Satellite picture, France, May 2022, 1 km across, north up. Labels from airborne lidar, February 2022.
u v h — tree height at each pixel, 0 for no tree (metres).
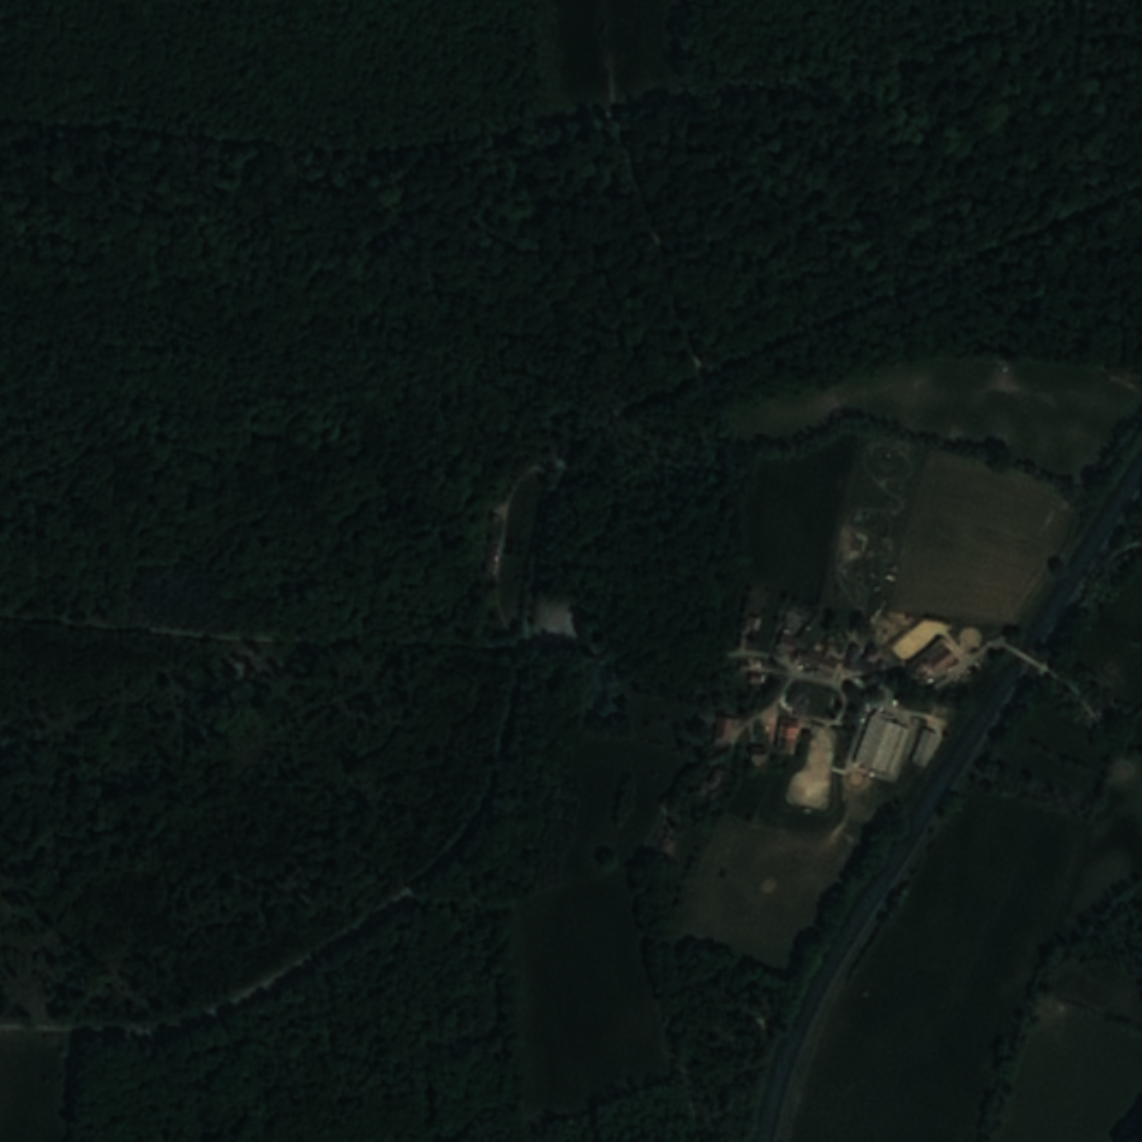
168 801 28
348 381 26
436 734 10
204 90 22
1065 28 26
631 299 25
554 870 19
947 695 7
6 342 24
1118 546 16
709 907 0
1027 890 0
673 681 20
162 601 19
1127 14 27
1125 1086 0
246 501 28
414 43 22
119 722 9
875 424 17
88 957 26
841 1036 0
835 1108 0
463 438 27
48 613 9
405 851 7
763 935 0
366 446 28
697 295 25
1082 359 22
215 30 23
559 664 27
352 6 24
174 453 32
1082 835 0
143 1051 25
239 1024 19
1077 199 23
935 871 0
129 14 24
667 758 0
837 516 0
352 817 24
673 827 14
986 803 0
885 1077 0
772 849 0
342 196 29
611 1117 18
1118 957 23
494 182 31
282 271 25
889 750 0
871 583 0
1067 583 0
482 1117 27
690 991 24
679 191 26
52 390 27
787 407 0
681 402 25
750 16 26
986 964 0
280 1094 20
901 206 25
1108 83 26
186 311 23
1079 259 24
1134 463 0
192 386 23
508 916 20
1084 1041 0
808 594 0
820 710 0
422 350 23
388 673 11
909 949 0
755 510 0
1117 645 0
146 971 30
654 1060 0
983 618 0
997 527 0
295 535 27
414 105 25
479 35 27
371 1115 14
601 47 0
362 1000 26
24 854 20
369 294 26
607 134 11
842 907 18
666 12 0
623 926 0
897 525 0
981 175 26
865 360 21
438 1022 23
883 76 29
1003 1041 13
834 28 26
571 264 30
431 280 10
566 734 27
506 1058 21
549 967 0
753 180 28
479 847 33
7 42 25
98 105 26
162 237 26
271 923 21
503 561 0
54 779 10
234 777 6
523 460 22
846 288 26
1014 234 18
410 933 25
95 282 24
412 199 31
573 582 28
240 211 28
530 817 29
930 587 0
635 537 31
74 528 32
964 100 31
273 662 0
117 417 30
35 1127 0
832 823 0
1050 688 15
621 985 0
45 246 26
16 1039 0
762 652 0
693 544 31
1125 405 0
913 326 26
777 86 17
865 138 26
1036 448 0
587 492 27
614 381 19
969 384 0
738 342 21
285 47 25
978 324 25
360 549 29
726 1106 19
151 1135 30
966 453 18
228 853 9
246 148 29
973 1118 0
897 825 22
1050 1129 0
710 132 29
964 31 22
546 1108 0
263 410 30
